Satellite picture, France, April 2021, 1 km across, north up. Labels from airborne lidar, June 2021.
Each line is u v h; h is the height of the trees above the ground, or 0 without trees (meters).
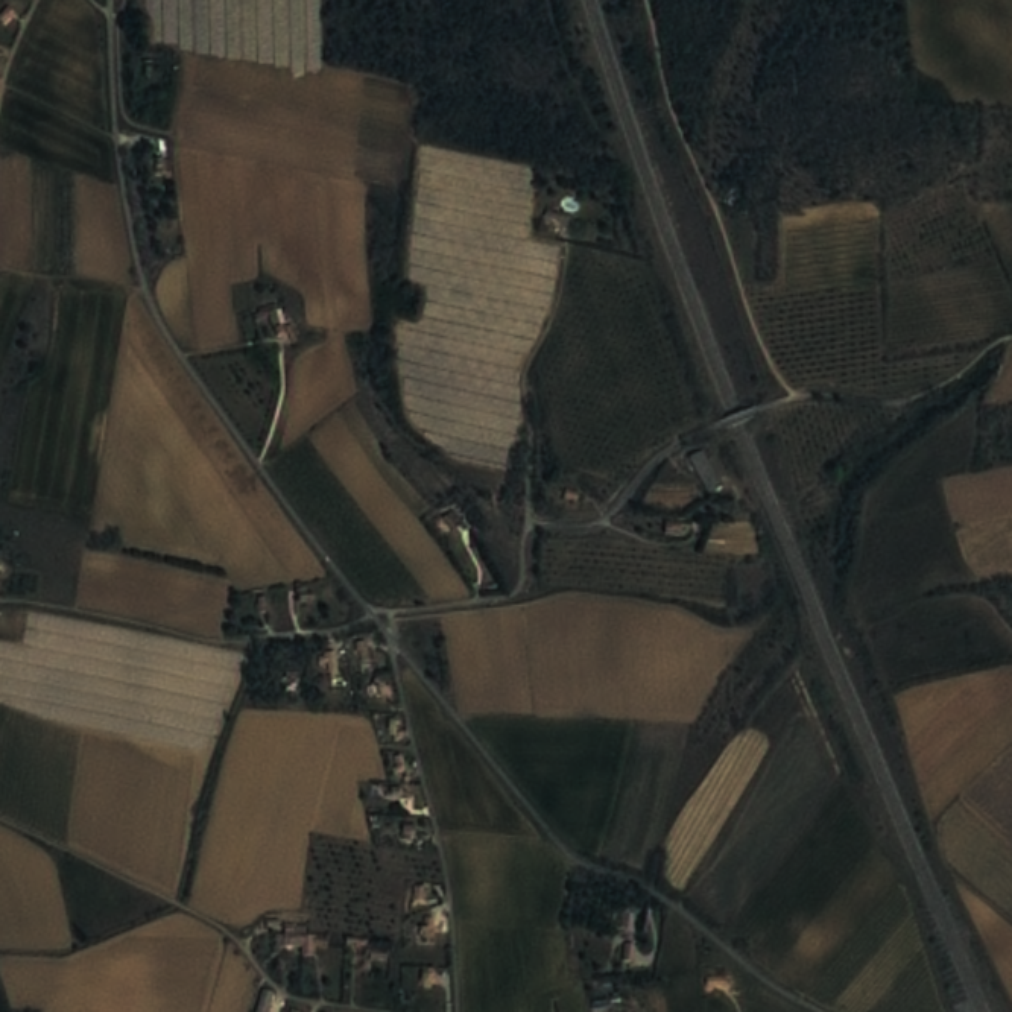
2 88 0
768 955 0
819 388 0
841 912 0
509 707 0
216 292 0
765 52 11
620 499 0
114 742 0
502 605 0
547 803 0
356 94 0
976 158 9
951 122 12
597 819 0
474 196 0
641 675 0
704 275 0
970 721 0
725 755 0
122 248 0
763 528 11
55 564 0
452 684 8
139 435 0
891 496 0
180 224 0
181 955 0
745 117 9
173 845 0
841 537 8
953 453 0
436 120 12
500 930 0
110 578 0
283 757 0
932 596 6
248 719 0
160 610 0
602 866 11
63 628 0
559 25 9
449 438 0
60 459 0
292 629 0
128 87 16
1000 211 0
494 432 0
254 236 0
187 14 0
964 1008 0
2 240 0
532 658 0
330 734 0
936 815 0
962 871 0
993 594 9
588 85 10
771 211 11
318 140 0
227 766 0
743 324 0
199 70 0
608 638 0
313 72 0
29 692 0
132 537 0
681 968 0
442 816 0
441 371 0
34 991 0
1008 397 0
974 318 0
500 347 0
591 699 0
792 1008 0
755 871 0
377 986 0
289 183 0
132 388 0
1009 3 0
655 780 0
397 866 0
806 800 0
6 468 0
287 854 0
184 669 0
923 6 0
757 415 7
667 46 6
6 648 0
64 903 0
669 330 14
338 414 0
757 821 0
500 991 0
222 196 0
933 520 0
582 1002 0
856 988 0
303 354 0
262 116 0
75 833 0
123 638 0
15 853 0
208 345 0
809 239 0
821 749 0
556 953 0
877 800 0
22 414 0
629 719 0
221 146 0
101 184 0
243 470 0
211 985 0
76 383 0
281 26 0
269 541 0
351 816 0
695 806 0
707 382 6
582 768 0
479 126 16
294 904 0
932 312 0
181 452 0
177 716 0
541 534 14
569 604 0
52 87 0
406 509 0
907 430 12
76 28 0
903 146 14
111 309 0
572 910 8
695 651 0
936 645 0
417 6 13
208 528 0
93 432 0
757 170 8
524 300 0
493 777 0
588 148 15
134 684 0
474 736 0
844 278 0
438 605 0
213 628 0
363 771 0
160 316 0
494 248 0
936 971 0
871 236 0
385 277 9
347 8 7
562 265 0
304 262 0
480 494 6
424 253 0
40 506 0
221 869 0
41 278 0
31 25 0
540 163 16
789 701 0
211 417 0
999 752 0
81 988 0
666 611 0
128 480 0
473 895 0
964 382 6
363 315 0
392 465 13
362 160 0
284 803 0
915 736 0
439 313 0
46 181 0
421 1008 0
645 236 6
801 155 10
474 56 13
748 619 11
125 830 0
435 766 0
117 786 0
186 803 0
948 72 0
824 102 8
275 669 16
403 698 0
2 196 0
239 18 0
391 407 7
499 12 15
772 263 10
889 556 0
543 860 0
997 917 0
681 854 0
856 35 10
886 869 0
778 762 0
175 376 0
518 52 12
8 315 0
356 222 0
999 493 0
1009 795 0
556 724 0
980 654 0
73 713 0
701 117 11
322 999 10
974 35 0
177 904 0
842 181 8
